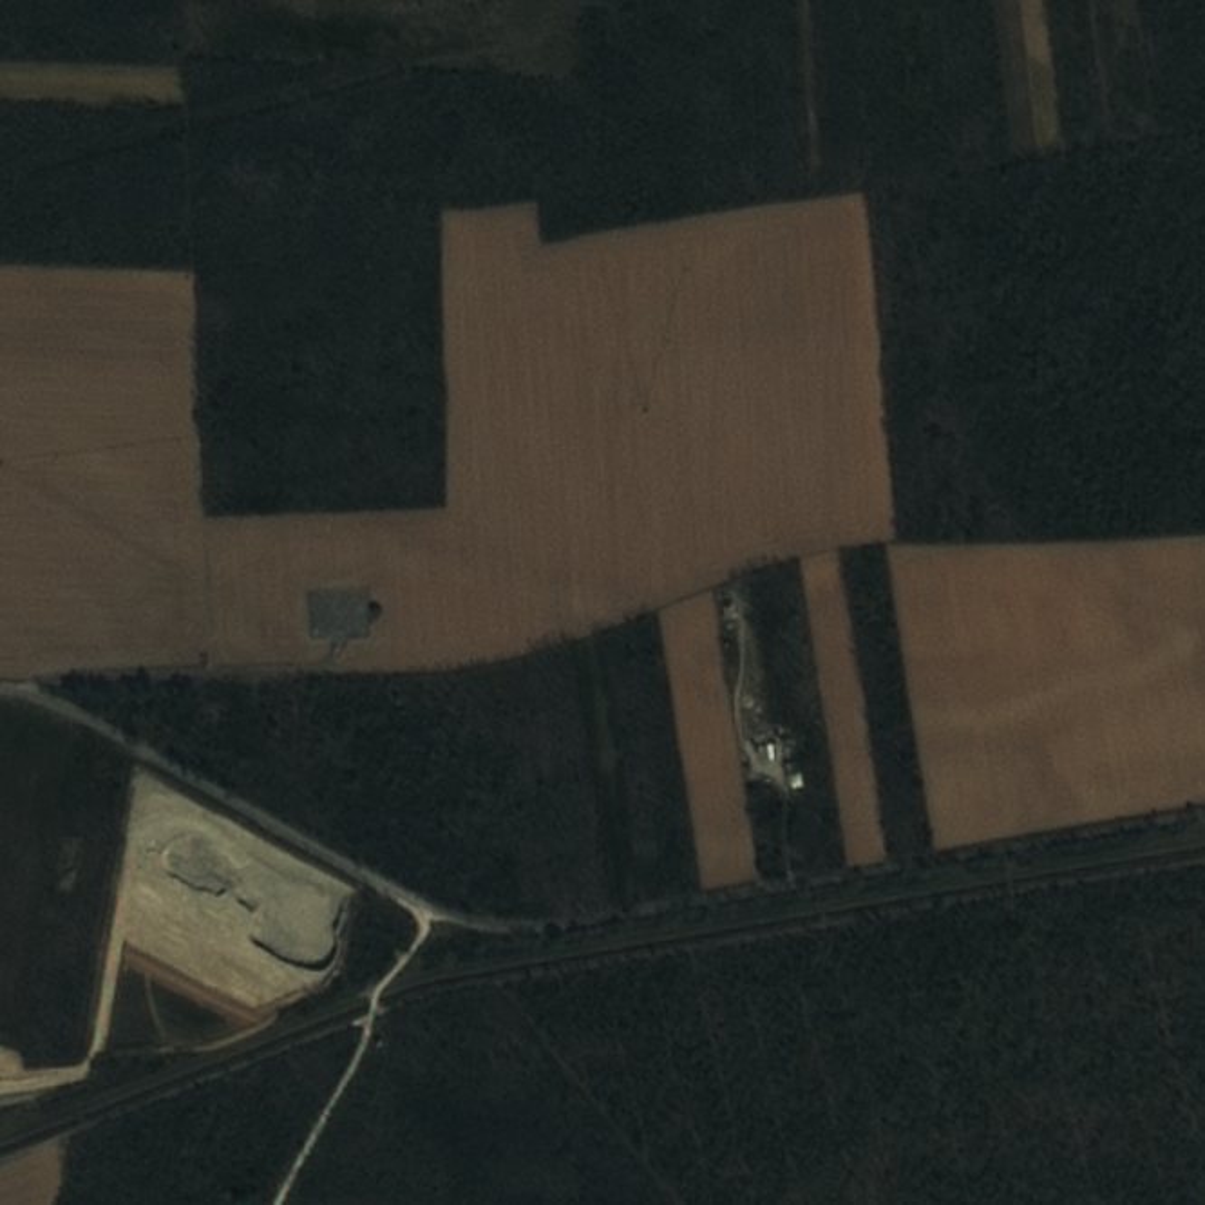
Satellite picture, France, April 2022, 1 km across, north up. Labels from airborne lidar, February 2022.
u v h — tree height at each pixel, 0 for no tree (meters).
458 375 0
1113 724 0
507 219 0
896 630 9
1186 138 12
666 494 0
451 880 11
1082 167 15
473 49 0
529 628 0
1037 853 13
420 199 14
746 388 0
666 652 0
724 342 0
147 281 0
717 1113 8
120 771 0
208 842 0
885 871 11
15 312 0
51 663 0
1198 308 11
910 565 0
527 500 0
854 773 0
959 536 13
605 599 0
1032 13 0
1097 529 12
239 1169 11
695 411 0
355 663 0
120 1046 0
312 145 16
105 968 0
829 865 8
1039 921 12
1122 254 12
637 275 0
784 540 0
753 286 0
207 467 14
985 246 18
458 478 0
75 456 0
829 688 0
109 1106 0
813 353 0
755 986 11
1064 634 0
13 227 7
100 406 0
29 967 0
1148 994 9
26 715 0
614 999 12
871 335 0
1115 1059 11
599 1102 14
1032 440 8
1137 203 10
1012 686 0
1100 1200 15
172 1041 0
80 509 0
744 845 0
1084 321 16
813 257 0
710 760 0
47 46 12
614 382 0
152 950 0
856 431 0
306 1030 0
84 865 0
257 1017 0
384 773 13
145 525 0
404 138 16
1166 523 15
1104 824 0
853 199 0
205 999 0
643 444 0
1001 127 9
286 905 0
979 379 11
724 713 0
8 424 0
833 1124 13
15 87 0
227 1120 12
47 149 12
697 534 0
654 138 15
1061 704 0
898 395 8
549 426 0
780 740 12
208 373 14
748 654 0
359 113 15
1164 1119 12
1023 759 0
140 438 0
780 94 13
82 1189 12
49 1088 0
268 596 0
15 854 0
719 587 0
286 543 0
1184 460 13
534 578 0
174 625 0
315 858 0
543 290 0
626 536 0
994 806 0
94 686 13
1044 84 0
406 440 8
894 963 11
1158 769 0
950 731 0
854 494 0
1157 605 0
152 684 22
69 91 0
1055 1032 12
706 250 0
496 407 0
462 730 9
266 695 12
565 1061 12
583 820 17
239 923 0
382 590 0
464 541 0
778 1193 12
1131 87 8
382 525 0
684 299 0
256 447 13
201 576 0
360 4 0
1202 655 0
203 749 12
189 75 16
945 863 12
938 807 0
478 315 0
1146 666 0
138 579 0
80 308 0
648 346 0
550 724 0
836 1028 10
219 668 0
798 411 0
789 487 0
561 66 0
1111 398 13
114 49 13
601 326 0
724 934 0
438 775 14
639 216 15
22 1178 0
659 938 0
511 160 11
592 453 0
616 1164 13
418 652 0
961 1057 16
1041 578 0
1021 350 8
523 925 0
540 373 0
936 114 10
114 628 0
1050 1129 7
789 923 0
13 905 0
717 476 0
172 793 0
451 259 0
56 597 0
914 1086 6
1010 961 10
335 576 0
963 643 0
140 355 0
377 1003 0
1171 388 12
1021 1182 11
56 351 0
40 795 0
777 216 0
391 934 10
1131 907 11
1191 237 12
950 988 12
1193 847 0
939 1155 12
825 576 0
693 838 9
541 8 0
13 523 0
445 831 16
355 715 7
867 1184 14
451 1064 0
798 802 14
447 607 0
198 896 0
